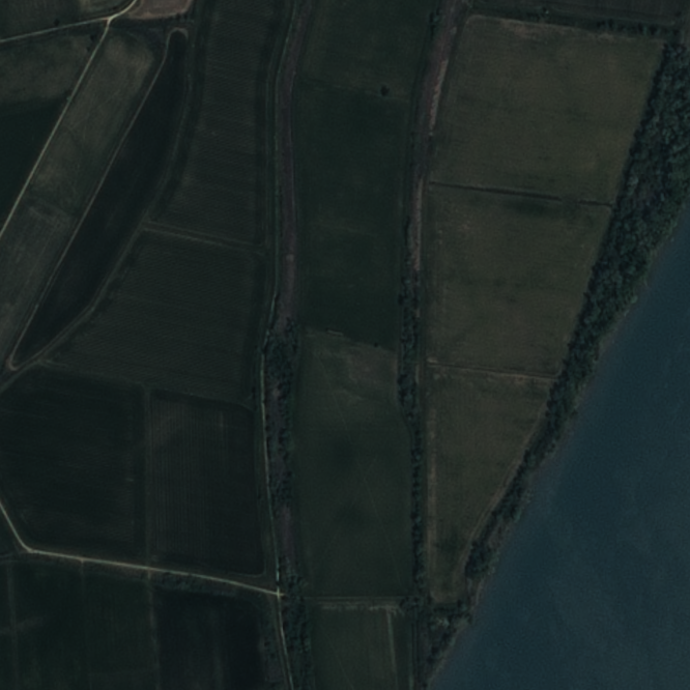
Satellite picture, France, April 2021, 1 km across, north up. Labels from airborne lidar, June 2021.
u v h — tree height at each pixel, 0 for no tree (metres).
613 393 0
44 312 0
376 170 0
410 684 0
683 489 0
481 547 15
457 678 0
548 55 0
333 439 0
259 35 0
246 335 0
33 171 0
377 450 0
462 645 0
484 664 0
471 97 0
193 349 0
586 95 0
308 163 0
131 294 0
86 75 0
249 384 0
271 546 0
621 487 0
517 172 0
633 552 0
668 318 0
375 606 0
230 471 0
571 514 0
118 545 0
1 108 0
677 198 20
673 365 0
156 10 0
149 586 0
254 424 0
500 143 0
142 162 0
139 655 0
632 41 0
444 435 0
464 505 0
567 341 0
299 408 0
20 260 0
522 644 0
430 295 0
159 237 0
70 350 0
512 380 0
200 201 0
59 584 0
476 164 0
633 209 8
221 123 0
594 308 19
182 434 0
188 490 0
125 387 0
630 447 0
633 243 19
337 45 0
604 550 0
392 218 0
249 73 0
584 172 0
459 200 0
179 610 0
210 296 0
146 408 0
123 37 0
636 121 0
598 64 0
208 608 0
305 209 0
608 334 18
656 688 0
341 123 0
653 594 0
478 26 0
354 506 0
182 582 11
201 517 0
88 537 0
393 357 0
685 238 0
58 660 0
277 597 0
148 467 0
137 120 0
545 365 0
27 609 0
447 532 0
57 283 0
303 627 9
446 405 0
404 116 0
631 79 0
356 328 0
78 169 0
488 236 0
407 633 0
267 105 0
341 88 0
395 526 0
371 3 0
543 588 0
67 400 0
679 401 0
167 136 0
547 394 0
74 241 0
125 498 0
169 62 0
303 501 0
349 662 0
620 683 0
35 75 0
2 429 0
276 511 8
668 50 11
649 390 0
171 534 0
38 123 0
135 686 0
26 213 0
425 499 0
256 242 0
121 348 0
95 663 0
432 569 0
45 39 0
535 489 0
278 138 0
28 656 0
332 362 0
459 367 0
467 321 0
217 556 0
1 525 0
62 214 0
